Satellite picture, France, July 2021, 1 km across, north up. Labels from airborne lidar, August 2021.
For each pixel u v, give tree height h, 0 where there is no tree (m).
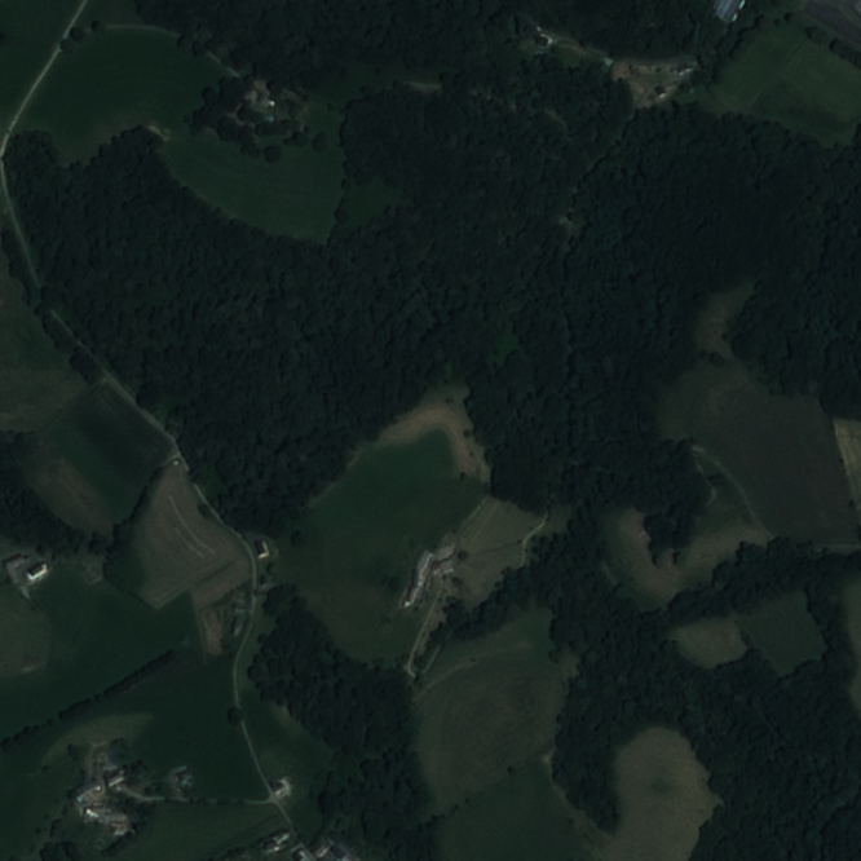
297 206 0
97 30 18
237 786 0
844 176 37
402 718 18
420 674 11
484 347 16
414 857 31
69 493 0
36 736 13
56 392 0
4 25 0
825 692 17
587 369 26
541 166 28
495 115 25
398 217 10
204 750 0
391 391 18
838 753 27
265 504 22
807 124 0
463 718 0
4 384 0
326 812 19
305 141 21
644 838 0
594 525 14
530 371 29
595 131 26
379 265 29
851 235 36
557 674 0
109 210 26
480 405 29
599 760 26
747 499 0
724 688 23
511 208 21
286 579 0
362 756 29
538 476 30
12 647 0
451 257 29
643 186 36
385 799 23
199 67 0
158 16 17
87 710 12
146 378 16
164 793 11
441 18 21
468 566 0
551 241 27
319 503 0
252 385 19
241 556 0
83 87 0
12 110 0
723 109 0
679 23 24
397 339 21
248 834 0
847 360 31
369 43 14
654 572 0
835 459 0
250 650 0
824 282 41
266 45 23
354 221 0
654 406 14
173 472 0
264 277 27
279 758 0
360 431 9
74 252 26
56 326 18
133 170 31
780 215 31
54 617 0
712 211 34
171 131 0
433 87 0
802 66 0
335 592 0
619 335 31
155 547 0
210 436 22
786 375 20
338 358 17
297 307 25
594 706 11
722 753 25
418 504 0
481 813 0
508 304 24
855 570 23
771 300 28
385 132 25
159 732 0
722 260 33
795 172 34
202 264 26
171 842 0
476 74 22
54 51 0
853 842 19
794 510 0
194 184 0
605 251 23
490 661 0
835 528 0
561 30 9
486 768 0
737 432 0
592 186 25
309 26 30
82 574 0
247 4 19
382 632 0
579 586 23
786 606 0
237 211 0
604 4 17
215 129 11
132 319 14
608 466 26
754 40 22
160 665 13
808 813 9
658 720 9
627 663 15
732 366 0
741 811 17
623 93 26
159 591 0
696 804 0
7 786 0
